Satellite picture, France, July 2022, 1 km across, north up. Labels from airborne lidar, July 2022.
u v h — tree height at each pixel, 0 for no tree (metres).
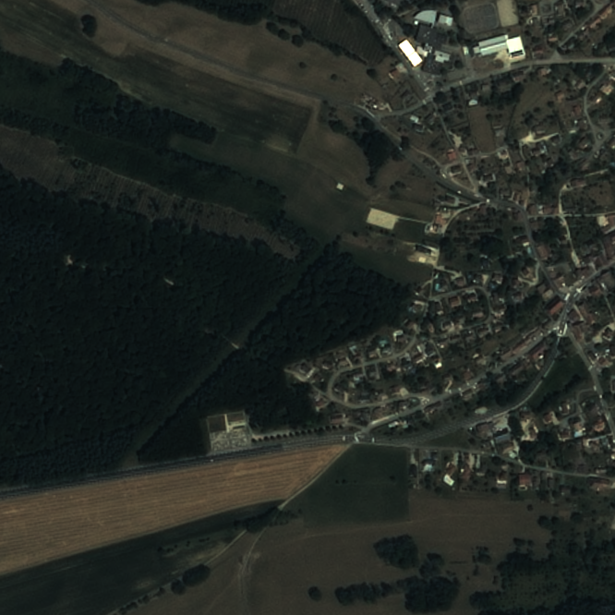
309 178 0
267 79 0
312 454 0
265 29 0
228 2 5
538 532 0
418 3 20
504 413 0
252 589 0
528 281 0
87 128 17
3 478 15
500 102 13
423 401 0
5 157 0
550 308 0
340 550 0
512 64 0
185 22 0
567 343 7
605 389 0
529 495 0
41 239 31
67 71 24
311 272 15
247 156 0
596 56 7
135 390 30
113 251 27
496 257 19
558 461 12
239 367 25
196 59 0
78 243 25
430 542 0
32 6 0
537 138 0
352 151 0
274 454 0
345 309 31
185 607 0
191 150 0
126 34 0
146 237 25
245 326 25
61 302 30
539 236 19
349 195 0
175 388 26
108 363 27
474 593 0
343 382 6
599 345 10
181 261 27
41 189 27
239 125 0
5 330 28
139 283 26
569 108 0
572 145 6
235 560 0
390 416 0
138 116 27
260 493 0
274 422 17
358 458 0
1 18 0
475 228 6
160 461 19
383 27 0
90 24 21
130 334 29
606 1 0
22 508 0
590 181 0
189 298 20
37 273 31
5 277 28
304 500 0
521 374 5
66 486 0
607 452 7
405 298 17
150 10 0
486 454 0
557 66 9
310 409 14
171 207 0
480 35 0
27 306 31
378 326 28
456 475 0
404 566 23
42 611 0
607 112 0
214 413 19
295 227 20
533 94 0
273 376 26
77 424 25
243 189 0
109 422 30
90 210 26
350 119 0
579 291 0
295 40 12
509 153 0
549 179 17
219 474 0
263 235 0
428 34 0
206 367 23
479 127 0
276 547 0
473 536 0
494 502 0
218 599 0
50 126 17
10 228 31
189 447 19
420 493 0
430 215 0
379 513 0
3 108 8
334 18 0
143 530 0
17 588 0
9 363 30
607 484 0
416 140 0
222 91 0
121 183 0
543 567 12
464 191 0
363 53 0
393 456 0
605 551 10
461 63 10
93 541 0
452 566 0
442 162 0
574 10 12
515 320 21
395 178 0
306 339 28
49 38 0
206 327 23
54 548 0
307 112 0
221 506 0
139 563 0
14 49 0
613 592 6
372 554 0
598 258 0
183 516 0
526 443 12
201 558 0
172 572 0
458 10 17
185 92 0
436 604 28
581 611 28
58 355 27
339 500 0
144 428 23
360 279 29
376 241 0
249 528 17
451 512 0
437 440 0
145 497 0
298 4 0
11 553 0
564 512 0
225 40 0
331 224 0
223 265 30
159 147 19
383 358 0
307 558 0
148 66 0
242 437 0
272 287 23
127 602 0
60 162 0
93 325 27
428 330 7
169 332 22
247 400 25
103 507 0
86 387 29
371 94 0
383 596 22
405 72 0
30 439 28
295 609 0
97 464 28
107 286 25
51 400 25
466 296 6
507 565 13
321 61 0
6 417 26
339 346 12
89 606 0
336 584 0
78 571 0
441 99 17
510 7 0
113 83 12
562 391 6
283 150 0
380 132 7
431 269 0
